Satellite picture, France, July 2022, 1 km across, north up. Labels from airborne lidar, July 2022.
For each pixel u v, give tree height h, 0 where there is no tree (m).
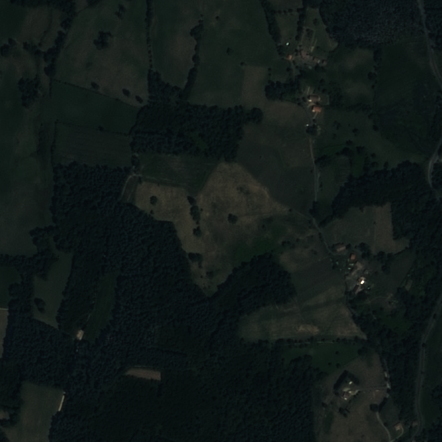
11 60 0
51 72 25
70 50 0
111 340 25
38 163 0
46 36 0
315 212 24
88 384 26
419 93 0
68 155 0
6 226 0
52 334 32
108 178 16
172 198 0
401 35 27
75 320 7
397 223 10
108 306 0
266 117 0
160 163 0
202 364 6
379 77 11
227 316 26
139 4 0
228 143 19
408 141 0
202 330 32
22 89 17
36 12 0
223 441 9
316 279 0
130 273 24
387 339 22
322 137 0
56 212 28
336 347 0
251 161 0
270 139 0
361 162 0
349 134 0
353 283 0
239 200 0
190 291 24
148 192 0
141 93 0
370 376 0
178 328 9
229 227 0
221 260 0
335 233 0
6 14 0
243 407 18
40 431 0
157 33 0
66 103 0
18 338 34
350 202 24
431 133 9
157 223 16
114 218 23
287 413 16
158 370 6
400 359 20
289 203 0
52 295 0
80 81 0
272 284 21
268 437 15
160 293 26
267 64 0
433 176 7
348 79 0
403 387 18
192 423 9
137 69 0
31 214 0
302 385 16
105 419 7
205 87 0
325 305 0
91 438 24
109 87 0
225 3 0
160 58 0
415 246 17
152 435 8
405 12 32
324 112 0
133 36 0
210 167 0
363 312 6
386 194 19
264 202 0
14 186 0
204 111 21
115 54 0
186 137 21
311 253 0
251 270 8
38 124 0
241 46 0
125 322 21
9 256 13
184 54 0
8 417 0
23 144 0
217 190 0
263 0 17
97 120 0
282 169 0
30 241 0
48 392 0
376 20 29
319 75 0
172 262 25
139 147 18
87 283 14
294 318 0
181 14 0
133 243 27
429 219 16
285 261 0
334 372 0
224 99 0
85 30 0
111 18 0
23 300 20
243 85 0
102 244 22
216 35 0
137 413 6
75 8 13
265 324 0
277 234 0
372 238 0
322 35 0
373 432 0
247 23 0
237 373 9
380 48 26
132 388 8
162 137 25
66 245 12
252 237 0
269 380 19
